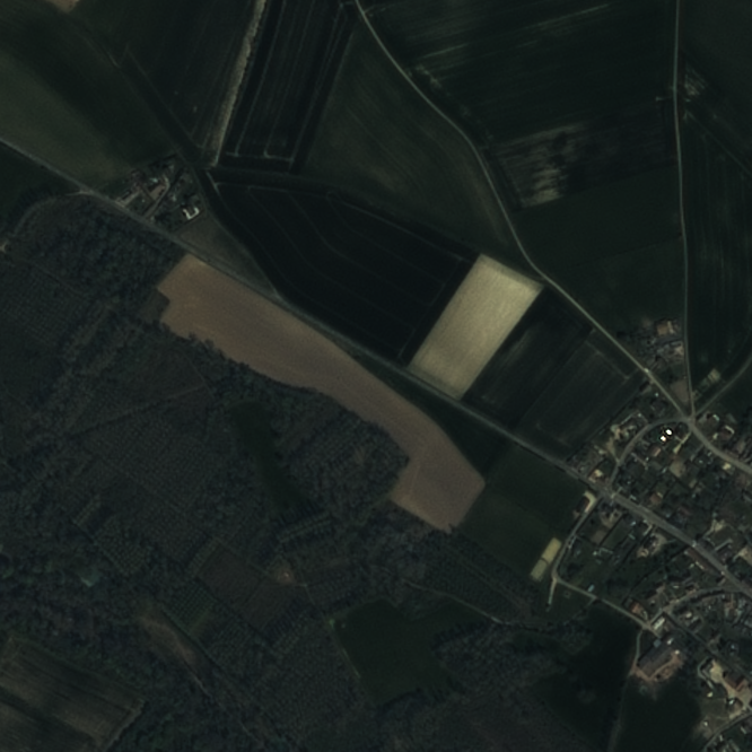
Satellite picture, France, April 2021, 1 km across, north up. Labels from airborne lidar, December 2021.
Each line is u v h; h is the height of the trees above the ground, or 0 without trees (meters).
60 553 14
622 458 0
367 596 23
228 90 0
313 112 0
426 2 0
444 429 0
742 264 0
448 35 0
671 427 0
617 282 0
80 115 0
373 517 9
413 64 0
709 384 0
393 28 0
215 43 0
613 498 0
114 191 0
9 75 0
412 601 12
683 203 0
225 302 0
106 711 0
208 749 22
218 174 0
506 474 0
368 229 0
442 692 0
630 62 0
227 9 0
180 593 24
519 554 0
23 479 27
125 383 9
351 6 0
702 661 0
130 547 31
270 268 0
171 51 0
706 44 0
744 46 0
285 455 7
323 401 8
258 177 0
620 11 0
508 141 0
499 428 0
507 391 0
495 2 0
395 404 0
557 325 0
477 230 0
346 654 0
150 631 0
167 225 14
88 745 0
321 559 9
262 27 9
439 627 0
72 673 0
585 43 0
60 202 6
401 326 0
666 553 8
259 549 8
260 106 0
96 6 0
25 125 0
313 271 0
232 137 0
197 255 0
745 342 0
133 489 12
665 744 0
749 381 0
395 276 0
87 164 0
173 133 0
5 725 0
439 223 0
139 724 10
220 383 6
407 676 0
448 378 0
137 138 0
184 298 0
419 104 0
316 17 0
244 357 0
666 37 0
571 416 0
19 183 0
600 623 0
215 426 8
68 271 21
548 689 0
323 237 0
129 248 26
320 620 28
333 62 0
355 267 0
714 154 0
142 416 20
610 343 0
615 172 0
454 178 0
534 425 0
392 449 32
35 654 0
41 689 0
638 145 0
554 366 0
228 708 10
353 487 32
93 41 0
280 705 23
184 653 0
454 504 0
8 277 6
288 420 20
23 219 27
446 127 0
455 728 8
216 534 9
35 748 0
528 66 0
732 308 0
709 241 0
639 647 0
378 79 0
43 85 0
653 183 0
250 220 0
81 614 8
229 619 20
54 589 14
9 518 24
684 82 0
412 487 0
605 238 0
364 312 0
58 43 0
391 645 0
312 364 0
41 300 21
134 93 0
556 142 0
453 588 7
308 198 0
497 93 0
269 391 22
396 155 0
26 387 6
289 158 0
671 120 0
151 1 0
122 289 19
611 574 0
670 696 0
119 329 31
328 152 0
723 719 0
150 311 0
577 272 0
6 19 0
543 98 0
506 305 0
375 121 0
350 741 9
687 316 0
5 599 20
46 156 0
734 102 0
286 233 0
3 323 9
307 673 19
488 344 0
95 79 0
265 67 0
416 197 0
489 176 0
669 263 0
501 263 0
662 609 0
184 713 20
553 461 0
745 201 0
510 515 0
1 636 9
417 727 25
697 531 0
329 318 0
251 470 22
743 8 0
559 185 0
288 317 0
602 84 0
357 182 0
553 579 0
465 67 0
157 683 20
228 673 12
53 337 23
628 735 0
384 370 0
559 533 0
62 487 35
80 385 34
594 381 0
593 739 0
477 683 11
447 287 0
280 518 0
